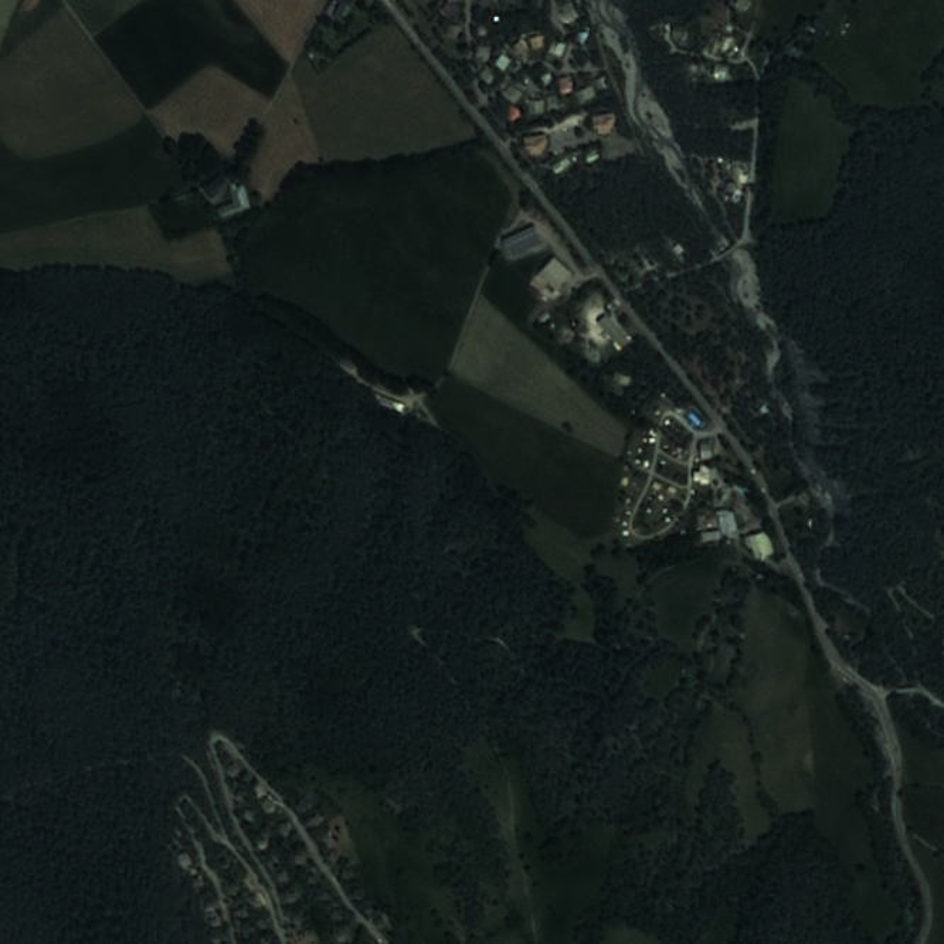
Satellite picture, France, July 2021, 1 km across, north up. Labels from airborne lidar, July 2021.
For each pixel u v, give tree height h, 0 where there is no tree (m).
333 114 0
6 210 0
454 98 9
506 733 12
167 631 14
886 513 7
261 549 18
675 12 9
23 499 15
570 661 13
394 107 0
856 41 0
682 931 13
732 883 14
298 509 20
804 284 11
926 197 13
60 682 13
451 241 0
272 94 0
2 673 12
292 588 15
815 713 0
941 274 17
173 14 0
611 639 8
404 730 13
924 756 0
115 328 18
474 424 0
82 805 15
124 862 23
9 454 19
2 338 14
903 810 0
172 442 12
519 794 0
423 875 0
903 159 14
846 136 0
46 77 0
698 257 9
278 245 0
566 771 10
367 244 0
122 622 10
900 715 12
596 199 10
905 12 0
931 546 7
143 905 19
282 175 0
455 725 12
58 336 15
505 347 0
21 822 20
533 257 0
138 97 0
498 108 11
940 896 0
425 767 6
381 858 0
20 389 23
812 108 0
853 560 10
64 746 17
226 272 0
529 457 0
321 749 21
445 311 0
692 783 0
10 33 0
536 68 10
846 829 0
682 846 10
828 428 7
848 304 6
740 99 11
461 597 17
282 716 12
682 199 7
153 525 18
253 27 0
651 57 8
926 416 9
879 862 12
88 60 0
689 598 0
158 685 15
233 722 9
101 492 12
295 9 0
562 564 0
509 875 8
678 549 9
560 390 0
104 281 14
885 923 0
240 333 19
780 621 0
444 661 14
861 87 0
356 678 20
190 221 0
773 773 0
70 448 23
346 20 9
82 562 22
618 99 7
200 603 27
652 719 12
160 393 15
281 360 23
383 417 26
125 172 0
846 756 0
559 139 0
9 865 16
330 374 21
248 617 18
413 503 10
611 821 9
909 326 11
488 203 0
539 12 12
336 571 16
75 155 0
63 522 19
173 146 13
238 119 0
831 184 0
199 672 19
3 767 18
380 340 0
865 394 10
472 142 9
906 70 0
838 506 0
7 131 0
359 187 0
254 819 6
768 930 18
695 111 8
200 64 0
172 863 12
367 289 0
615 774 14
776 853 13
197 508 12
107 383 15
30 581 13
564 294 0
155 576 15
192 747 10
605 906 7
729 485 11
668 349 14
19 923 12
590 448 0
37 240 0
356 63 0
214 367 17
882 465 6
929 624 13
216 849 12
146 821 15
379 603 15
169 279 13
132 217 0
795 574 0
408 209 0
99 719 19
